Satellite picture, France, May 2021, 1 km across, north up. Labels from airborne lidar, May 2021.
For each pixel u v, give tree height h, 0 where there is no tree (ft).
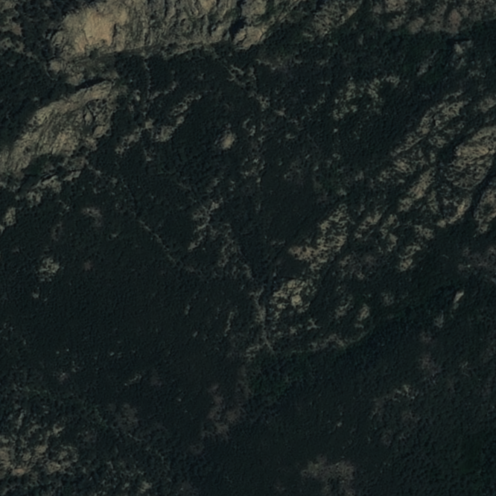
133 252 53
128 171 46
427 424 84
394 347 59
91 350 45
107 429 28
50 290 47
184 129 76
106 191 43
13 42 61
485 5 20
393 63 22
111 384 55
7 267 54
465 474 75
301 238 31
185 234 45
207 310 45
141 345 52
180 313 42
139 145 45
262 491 46
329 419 39
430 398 81
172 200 54
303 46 49
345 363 32
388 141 49
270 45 49
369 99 28
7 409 51
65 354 38
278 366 59
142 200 54
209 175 58
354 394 50
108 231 58
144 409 52
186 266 50
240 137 49
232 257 45
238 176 41
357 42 51
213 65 57
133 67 53
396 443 69
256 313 34
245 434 46
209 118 67
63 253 60
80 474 59
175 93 60
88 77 44
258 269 50
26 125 34
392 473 55
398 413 72
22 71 79
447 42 29
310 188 56
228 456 44
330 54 31
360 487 54
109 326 47
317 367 43
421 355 55
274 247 32
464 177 22
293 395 54
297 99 50
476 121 37
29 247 61
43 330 60
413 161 21
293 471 51
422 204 37
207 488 52
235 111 55
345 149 51
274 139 50
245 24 35
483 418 70
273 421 51
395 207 48
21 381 58
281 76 52
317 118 58
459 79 40
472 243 49
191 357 61
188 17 21
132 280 55
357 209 54
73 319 51
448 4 22
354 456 52
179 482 67
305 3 78
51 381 51
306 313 57
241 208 73
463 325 73
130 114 48
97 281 55
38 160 43
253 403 65
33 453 35
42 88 46
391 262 46
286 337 21
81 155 54
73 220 65
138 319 52
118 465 50
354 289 60
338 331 57
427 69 28
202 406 48
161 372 46
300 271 39
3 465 30
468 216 38
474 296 31
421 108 45
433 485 99
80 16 0
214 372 50
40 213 61
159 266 41
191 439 58
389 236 36
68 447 21
